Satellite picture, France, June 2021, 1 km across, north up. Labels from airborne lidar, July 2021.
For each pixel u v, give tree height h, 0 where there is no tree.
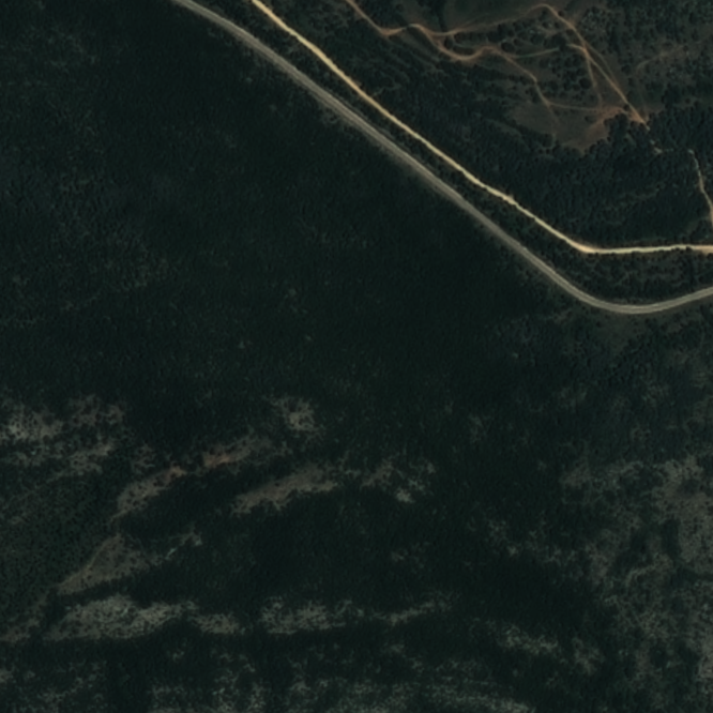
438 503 8
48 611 9
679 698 6
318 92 0
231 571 6
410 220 11
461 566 11
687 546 0
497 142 10
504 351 14
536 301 11
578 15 0
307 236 6
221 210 10
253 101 8
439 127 10
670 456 9
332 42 8
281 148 8
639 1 7
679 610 8
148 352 9
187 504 9
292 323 6
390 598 7
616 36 7
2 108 5
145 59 9
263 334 6
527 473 8
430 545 7
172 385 8
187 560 7
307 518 7
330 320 8
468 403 11
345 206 8
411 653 7
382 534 9
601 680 12
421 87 9
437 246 12
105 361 11
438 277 10
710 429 8
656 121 12
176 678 6
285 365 7
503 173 11
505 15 0
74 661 7
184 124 8
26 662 8
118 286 8
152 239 9
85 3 9
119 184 12
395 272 6
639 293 10
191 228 10
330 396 6
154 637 8
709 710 6
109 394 7
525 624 7
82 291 7
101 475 8
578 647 6
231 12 9
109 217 9
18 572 7
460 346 8
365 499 7
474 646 7
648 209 11
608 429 5
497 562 9
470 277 10
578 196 13
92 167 6
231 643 6
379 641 6
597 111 0
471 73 8
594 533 6
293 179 10
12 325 8
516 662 7
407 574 10
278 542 11
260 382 8
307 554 6
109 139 7
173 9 10
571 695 8
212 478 8
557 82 9
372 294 6
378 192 10
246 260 9
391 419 5
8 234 9
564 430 8
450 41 11
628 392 9
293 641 8
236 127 8
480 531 7
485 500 6
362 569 6
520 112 0
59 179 7
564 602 9
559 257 10
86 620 0
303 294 7
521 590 11
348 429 5
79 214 8
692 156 8
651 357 14
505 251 10
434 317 10
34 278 6
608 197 10
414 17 0
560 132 0
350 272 9
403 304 5
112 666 11
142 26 10
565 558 6
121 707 10
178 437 7
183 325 7
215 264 6
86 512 12
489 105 11
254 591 7
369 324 8
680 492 0
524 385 13
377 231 10
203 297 7
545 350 12
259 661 8
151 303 6
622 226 9
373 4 10
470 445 8
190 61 9
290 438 6
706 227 6
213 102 9
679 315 8
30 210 9
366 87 9
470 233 11
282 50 10
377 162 10
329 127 7
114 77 9
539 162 13
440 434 7
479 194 8
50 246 8
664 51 0
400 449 6
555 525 7
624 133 10
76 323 11
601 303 0
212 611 5
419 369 8
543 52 0
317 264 9
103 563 0
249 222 10
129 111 8
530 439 7
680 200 11
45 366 9
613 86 0
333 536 8
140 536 7
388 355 8
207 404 9
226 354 9
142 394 8
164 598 7
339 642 8
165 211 12
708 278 10
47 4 7
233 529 6
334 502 7
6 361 9
